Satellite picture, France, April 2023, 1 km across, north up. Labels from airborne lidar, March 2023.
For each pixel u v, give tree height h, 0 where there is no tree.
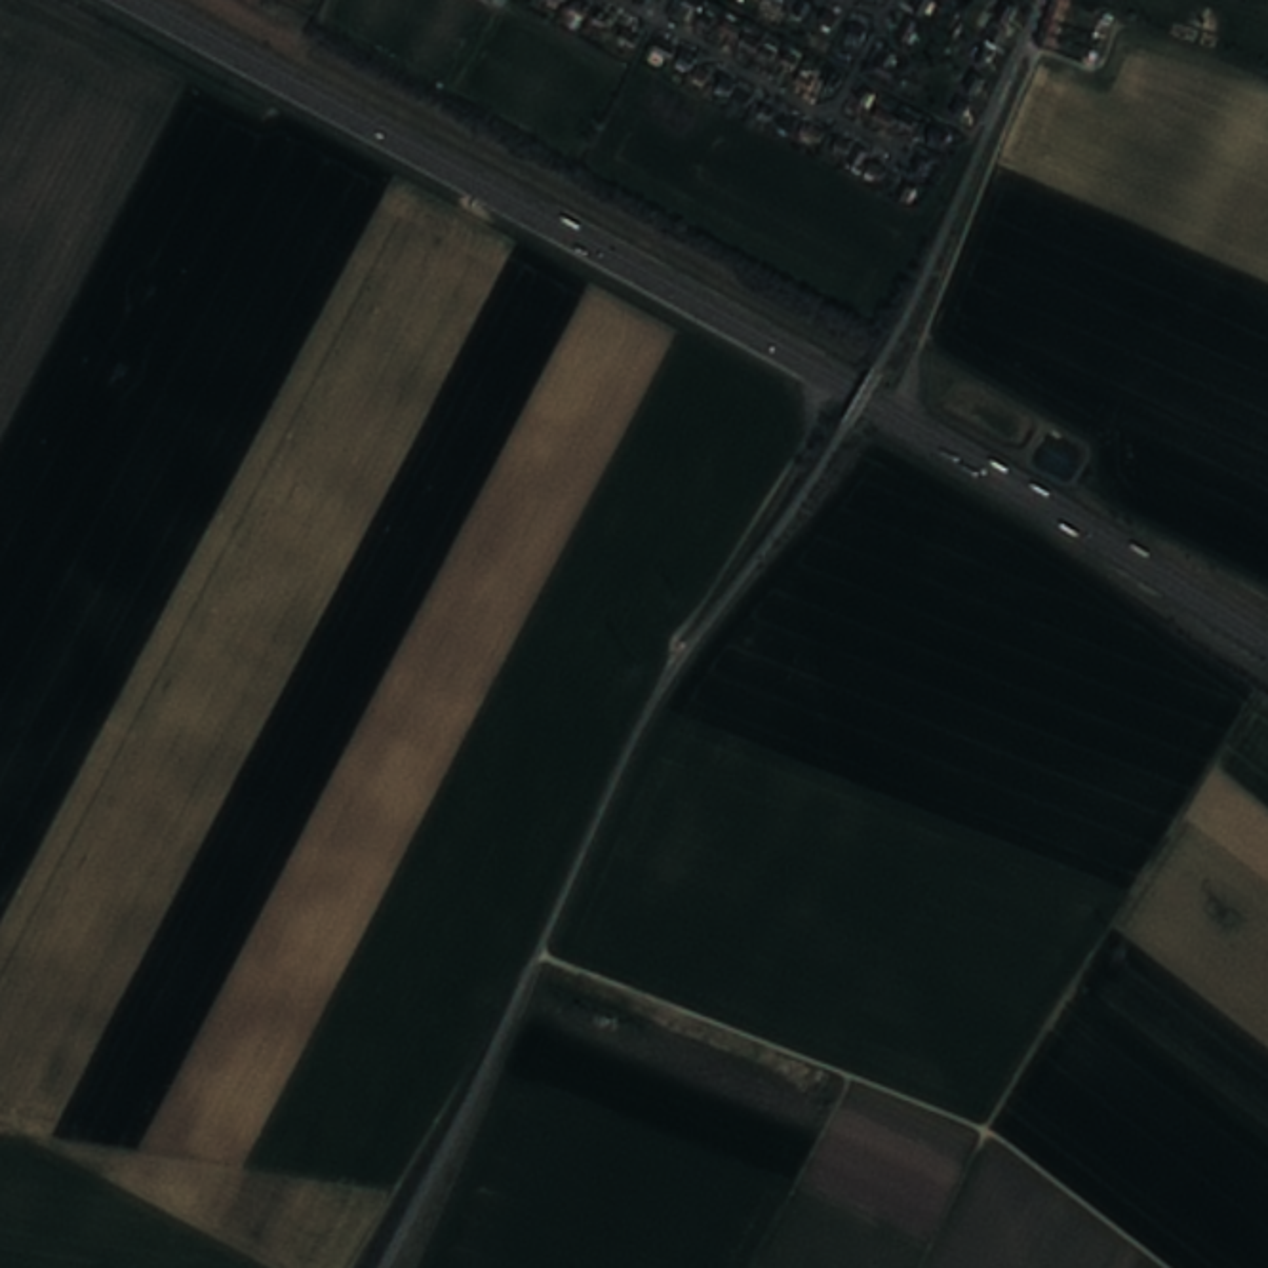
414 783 0
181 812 0
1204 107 0
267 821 0
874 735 0
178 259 0
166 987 0
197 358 0
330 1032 0
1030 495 0
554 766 0
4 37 0
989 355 0
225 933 0
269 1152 0
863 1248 0
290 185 0
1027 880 0
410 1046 0
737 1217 0
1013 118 0
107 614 0
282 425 0
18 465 0
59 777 0
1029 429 0
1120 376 0
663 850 0
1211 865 0
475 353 0
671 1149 0
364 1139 0
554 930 0
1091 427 0
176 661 0
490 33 0
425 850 0
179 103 0
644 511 0
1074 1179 0
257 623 0
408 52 0
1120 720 0
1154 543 0
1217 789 0
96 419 0
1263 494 0
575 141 0
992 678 0
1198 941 0
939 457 0
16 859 0
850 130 0
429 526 0
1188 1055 0
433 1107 0
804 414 0
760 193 0
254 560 0
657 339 0
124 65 0
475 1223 0
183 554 0
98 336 0
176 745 0
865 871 0
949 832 0
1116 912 0
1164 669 0
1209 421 0
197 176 0
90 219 0
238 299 0
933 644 0
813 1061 0
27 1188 0
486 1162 0
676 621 0
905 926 0
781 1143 0
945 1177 0
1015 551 0
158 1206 0
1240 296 0
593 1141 0
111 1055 0
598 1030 0
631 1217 0
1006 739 0
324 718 0
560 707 0
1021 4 14
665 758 0
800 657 0
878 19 0
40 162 0
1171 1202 0
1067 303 0
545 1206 0
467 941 0
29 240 0
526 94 0
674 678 0
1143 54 0
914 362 0
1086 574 0
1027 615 0
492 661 0
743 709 0
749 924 0
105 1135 0
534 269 0
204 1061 0
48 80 0
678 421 0
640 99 0
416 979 0
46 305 0
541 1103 0
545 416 0
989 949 0
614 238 0
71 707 0
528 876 0
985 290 0
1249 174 0
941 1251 0
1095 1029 0
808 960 0
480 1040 0
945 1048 0
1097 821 0
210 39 0
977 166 0
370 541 0
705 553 0
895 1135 0
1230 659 0
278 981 0
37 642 0
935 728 0
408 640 0
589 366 0
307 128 0
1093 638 0
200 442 0
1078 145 0
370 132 0
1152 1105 0
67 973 0
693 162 0
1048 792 0
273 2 0
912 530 0
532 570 0
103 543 0
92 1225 0
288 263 0
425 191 0
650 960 0
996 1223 0
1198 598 0
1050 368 0
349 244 0
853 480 0
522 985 0
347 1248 0
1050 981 0
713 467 0
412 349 0
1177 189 0
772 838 0
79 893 0
